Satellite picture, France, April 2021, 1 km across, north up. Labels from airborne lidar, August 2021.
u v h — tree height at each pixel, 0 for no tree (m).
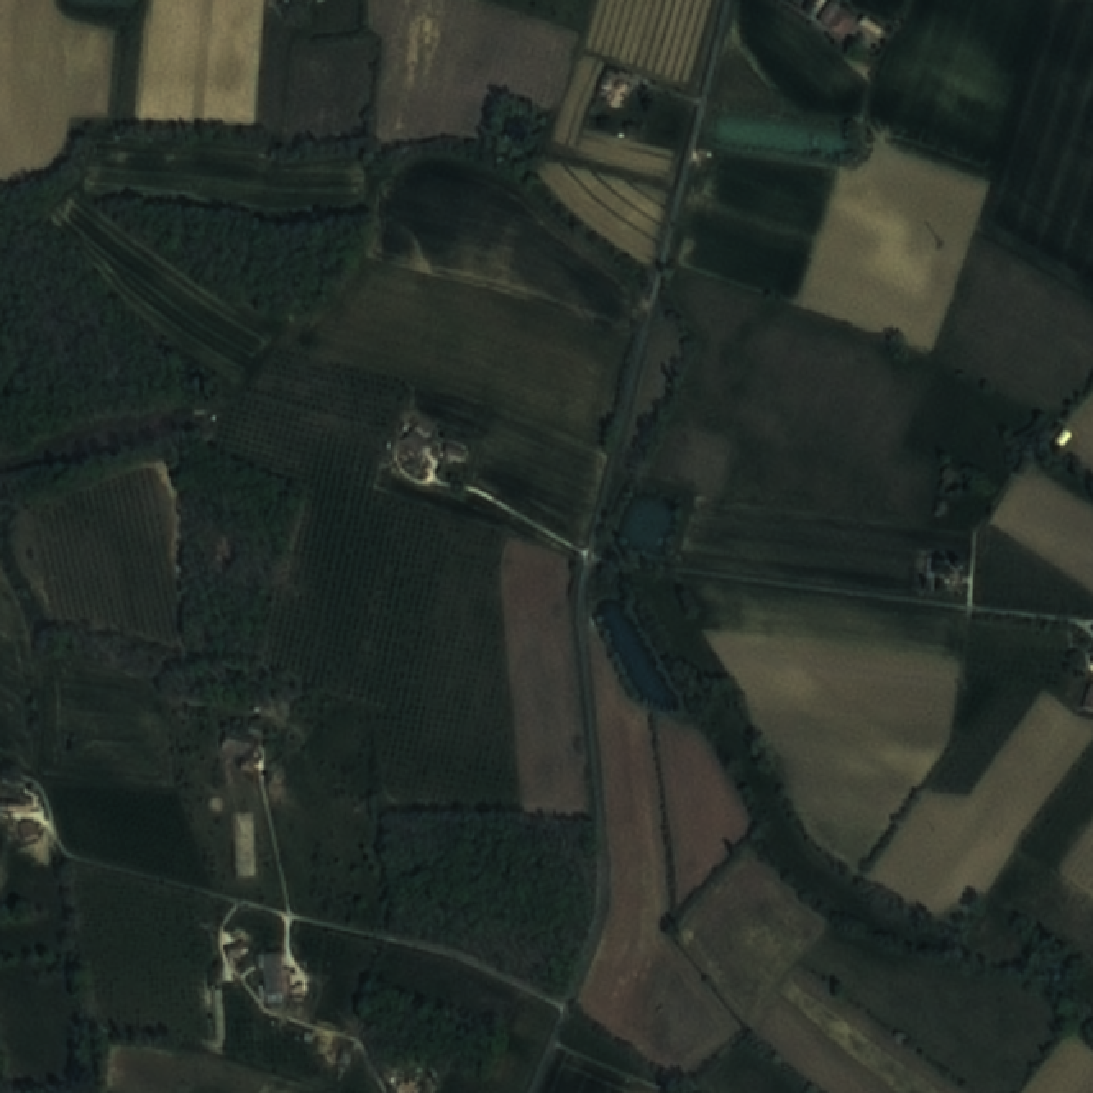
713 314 0
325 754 0
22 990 0
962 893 0
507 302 0
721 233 0
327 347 0
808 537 0
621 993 0
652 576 13
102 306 21
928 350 0
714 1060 9
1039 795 0
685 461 0
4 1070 10
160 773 0
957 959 24
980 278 0
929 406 0
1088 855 0
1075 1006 13
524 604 0
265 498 22
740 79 0
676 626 0
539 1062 0
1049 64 0
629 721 0
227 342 0
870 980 0
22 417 25
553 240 0
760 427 0
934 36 0
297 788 0
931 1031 0
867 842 0
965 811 0
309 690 12
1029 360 0
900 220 0
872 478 0
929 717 0
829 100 0
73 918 17
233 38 0
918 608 0
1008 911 0
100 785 0
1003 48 0
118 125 9
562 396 0
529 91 0
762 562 0
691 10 0
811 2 8
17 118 0
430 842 22
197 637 18
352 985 0
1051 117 0
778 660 0
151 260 0
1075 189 0
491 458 0
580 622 0
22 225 17
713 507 0
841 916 7
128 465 16
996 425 0
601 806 0
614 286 0
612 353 0
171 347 13
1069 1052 0
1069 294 0
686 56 0
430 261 0
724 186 0
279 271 20
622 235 0
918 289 0
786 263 0
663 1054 0
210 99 0
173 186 0
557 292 0
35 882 0
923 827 0
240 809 0
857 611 0
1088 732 0
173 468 14
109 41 0
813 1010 0
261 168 0
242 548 20
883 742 0
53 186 22
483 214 0
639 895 0
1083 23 0
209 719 7
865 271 0
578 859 19
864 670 0
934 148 0
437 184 0
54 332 20
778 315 0
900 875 0
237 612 20
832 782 0
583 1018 7
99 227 0
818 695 0
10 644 0
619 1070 0
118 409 18
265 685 14
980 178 0
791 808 7
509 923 21
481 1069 21
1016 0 0
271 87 0
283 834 0
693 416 0
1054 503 0
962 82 0
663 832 7
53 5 0
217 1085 0
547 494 0
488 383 0
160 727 0
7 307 22
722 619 0
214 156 0
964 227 0
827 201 0
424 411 0
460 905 24
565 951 24
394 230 0
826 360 0
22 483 13
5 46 0
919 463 0
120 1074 0
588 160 0
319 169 0
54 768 0
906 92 0
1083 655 14
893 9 0
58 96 0
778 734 0
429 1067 15
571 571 7
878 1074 0
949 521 0
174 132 15
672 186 0
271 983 0
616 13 0
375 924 11
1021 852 0
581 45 0
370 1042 13
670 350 0
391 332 0
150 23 0
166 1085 0
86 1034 17
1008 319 0
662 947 0
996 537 0
